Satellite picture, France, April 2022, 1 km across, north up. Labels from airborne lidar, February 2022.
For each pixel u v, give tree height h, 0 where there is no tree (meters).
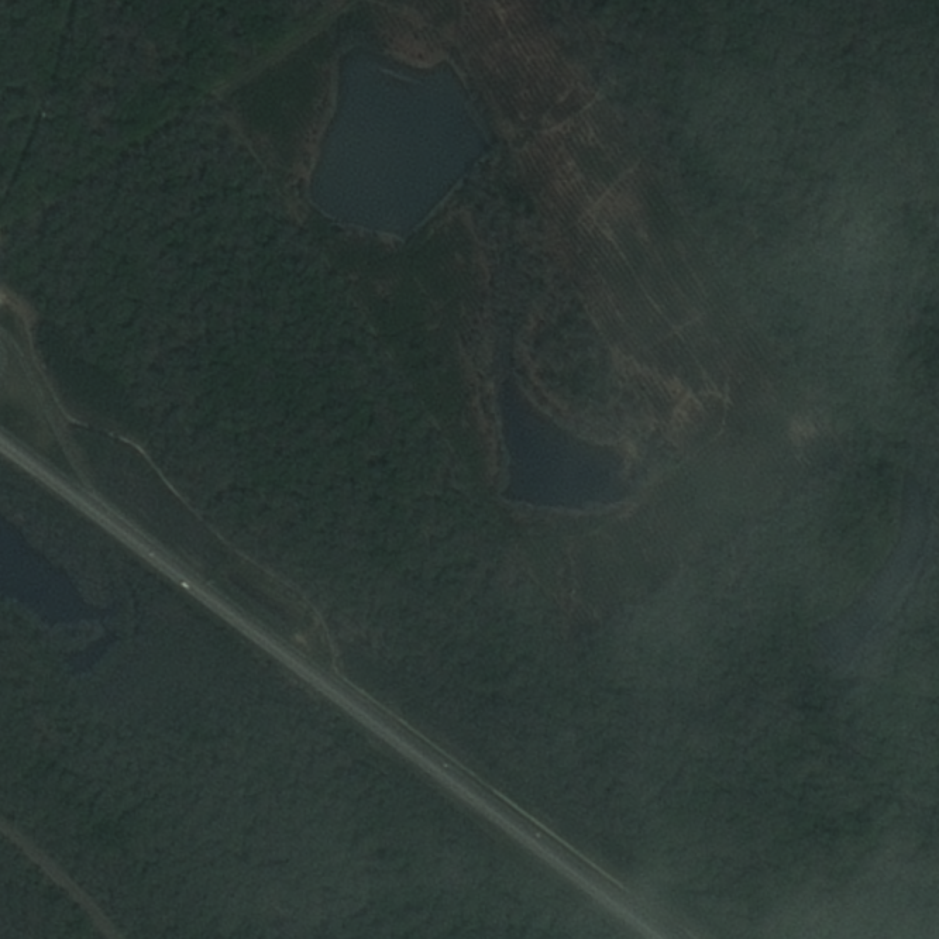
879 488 26
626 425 24
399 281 6
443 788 0
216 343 24
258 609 0
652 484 23
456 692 8
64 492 0
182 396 25
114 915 21
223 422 23
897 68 21
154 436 23
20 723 28
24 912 24
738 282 20
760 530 23
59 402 0
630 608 22
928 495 7
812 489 24
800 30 23
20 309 0
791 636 24
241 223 25
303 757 24
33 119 21
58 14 25
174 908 26
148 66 26
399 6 0
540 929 29
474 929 28
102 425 0
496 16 0
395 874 27
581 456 0
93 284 21
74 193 23
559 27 23
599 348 25
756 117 28
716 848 25
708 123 23
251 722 23
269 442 26
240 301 25
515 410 0
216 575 0
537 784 15
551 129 0
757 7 24
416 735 0
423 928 30
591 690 25
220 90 0
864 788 19
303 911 27
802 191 22
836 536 25
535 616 20
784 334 23
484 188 25
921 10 23
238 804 25
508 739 22
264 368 25
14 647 29
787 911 22
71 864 22
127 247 29
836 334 23
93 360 24
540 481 0
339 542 22
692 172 27
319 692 0
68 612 0
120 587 21
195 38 18
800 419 0
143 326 25
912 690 20
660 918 0
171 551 0
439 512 23
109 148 26
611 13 28
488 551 25
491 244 19
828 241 24
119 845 18
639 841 24
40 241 25
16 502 22
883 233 24
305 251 22
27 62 24
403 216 0
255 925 21
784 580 23
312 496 25
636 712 21
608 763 21
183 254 22
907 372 21
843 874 18
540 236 26
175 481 20
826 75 23
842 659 0
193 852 22
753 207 28
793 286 21
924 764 25
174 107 19
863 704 29
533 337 21
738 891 24
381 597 24
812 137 28
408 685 9
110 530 0
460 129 0
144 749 25
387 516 22
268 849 25
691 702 27
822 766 28
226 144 23
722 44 26
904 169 18
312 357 27
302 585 24
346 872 23
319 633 0
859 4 25
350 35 19
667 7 25
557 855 0
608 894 0
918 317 26
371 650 21
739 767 25
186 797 18
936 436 20
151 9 23
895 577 0
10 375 0
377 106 0
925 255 22
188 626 18
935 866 29
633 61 24
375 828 23
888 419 24
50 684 17
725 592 26
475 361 10
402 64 0
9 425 0
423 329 8
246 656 14
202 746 27
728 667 24
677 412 0
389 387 24
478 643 23
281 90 6
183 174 25
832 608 17
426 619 26
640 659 25
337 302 22
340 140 0
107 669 21
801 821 25
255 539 27
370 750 7
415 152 0
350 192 0
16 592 0
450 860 28
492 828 0
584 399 19
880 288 26
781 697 24
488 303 23
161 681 25
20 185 23
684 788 25
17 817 23
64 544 16
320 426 26
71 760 23
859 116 23
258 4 21
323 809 24
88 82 26
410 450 24
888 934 22
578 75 0
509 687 27
